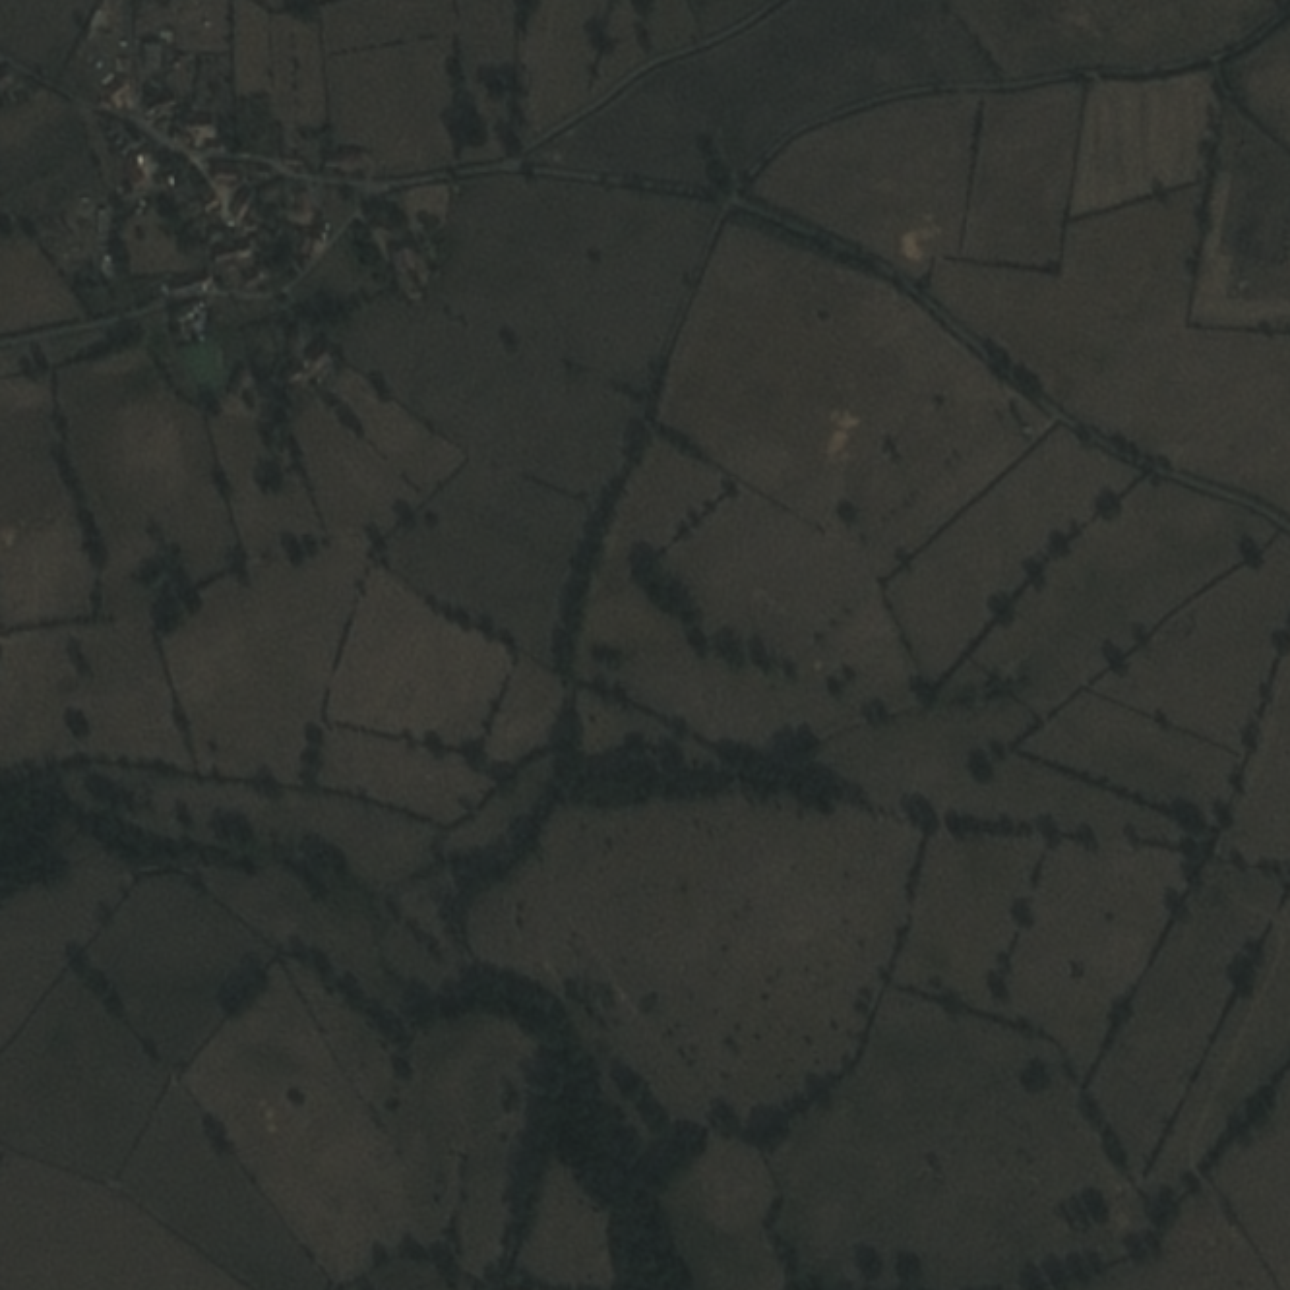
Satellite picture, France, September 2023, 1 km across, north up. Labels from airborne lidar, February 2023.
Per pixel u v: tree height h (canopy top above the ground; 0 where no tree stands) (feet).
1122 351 0
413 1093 0
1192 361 0
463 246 0
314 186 0
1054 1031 0
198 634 0
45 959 0
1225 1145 35
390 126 0
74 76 0
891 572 0
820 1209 0
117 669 0
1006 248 0
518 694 0
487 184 0
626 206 0
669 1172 56
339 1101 0
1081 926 0
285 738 0
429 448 0
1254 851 0
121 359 0
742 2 0
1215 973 0
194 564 0
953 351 0
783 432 0
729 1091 0
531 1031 73
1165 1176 0
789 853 0
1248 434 0
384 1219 0
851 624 0
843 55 0
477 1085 0
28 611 0
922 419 0
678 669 0
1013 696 0
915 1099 0
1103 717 0
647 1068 0
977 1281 0
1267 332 34
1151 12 0
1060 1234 0
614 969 0
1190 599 0
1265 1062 0
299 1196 0
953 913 0
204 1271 0
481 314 0
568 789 68
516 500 0
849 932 0
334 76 0
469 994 66
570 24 0
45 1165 0
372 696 0
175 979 0
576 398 0
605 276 0
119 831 41
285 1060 0
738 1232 0
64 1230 0
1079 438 27
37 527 0
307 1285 0
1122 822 0
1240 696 0
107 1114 0
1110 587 0
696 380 0
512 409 0
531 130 0
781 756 61
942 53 0
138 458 0
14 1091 0
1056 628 0
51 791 50
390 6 0
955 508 0
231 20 19
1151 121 0
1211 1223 0
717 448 0
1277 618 0
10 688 0
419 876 0
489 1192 0
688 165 0
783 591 0
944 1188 0
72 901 0
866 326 0
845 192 0
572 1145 47
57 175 0
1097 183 0
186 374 0
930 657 0
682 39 0
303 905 0
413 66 0
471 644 0
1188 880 46
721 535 0
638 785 36
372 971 0
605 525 41
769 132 0
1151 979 0
